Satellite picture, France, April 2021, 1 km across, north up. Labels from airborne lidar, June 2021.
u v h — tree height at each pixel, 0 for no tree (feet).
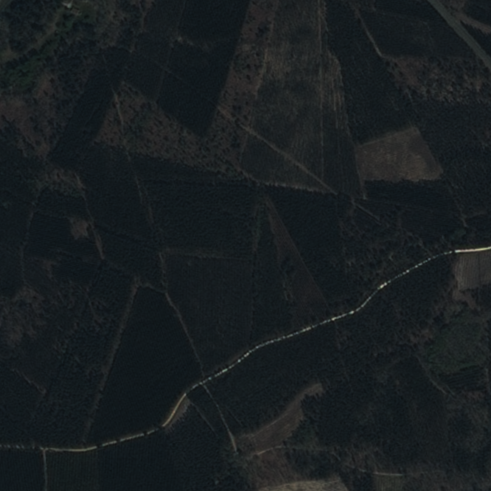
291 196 47
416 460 48
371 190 30
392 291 42
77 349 61
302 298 20
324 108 18
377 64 52
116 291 70
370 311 41
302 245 50
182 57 27
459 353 73
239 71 26
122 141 36
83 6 0
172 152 43
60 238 32
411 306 41
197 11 35
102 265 29
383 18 34
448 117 51
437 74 0
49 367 36
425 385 32
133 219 53
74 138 39
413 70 37
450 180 43
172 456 24
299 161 18
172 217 60
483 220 24
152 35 30
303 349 36
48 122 25
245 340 28
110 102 37
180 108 35
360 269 50
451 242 64
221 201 67
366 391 51
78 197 51
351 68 48
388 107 46
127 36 47
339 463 51
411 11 43
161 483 28
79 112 36
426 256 55
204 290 32
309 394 0
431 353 62
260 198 53
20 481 29
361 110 51
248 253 52
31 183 52
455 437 36
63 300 26
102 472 30
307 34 24
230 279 31
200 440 57
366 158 0
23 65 63
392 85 53
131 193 52
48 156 34
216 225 64
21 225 29
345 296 49
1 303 27
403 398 25
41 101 36
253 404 43
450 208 33
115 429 31
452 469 33
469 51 31
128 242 63
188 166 28
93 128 38
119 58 35
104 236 61
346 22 51
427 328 51
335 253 53
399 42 37
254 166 21
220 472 62
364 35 55
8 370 57
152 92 51
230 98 58
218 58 34
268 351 33
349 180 20
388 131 47
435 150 45
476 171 51
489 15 26
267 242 44
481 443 43
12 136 61
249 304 37
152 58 43
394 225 43
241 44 18
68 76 37
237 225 58
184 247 51
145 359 32
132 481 28
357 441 24
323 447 51
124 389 33
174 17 42
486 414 55
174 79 39
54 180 43
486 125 44
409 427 48
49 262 21
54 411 60
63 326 36
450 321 35
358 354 40
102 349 63
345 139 18
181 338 30
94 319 58
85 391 68
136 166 52
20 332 26
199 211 55
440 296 50
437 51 29
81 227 54
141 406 34
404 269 25
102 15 61
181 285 32
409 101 43
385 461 43
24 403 57
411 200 34
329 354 35
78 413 61
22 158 47
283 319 37
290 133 21
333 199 43
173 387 32
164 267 40
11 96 63
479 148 48
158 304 33
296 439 28
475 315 52
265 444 0
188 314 34
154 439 27
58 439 62
